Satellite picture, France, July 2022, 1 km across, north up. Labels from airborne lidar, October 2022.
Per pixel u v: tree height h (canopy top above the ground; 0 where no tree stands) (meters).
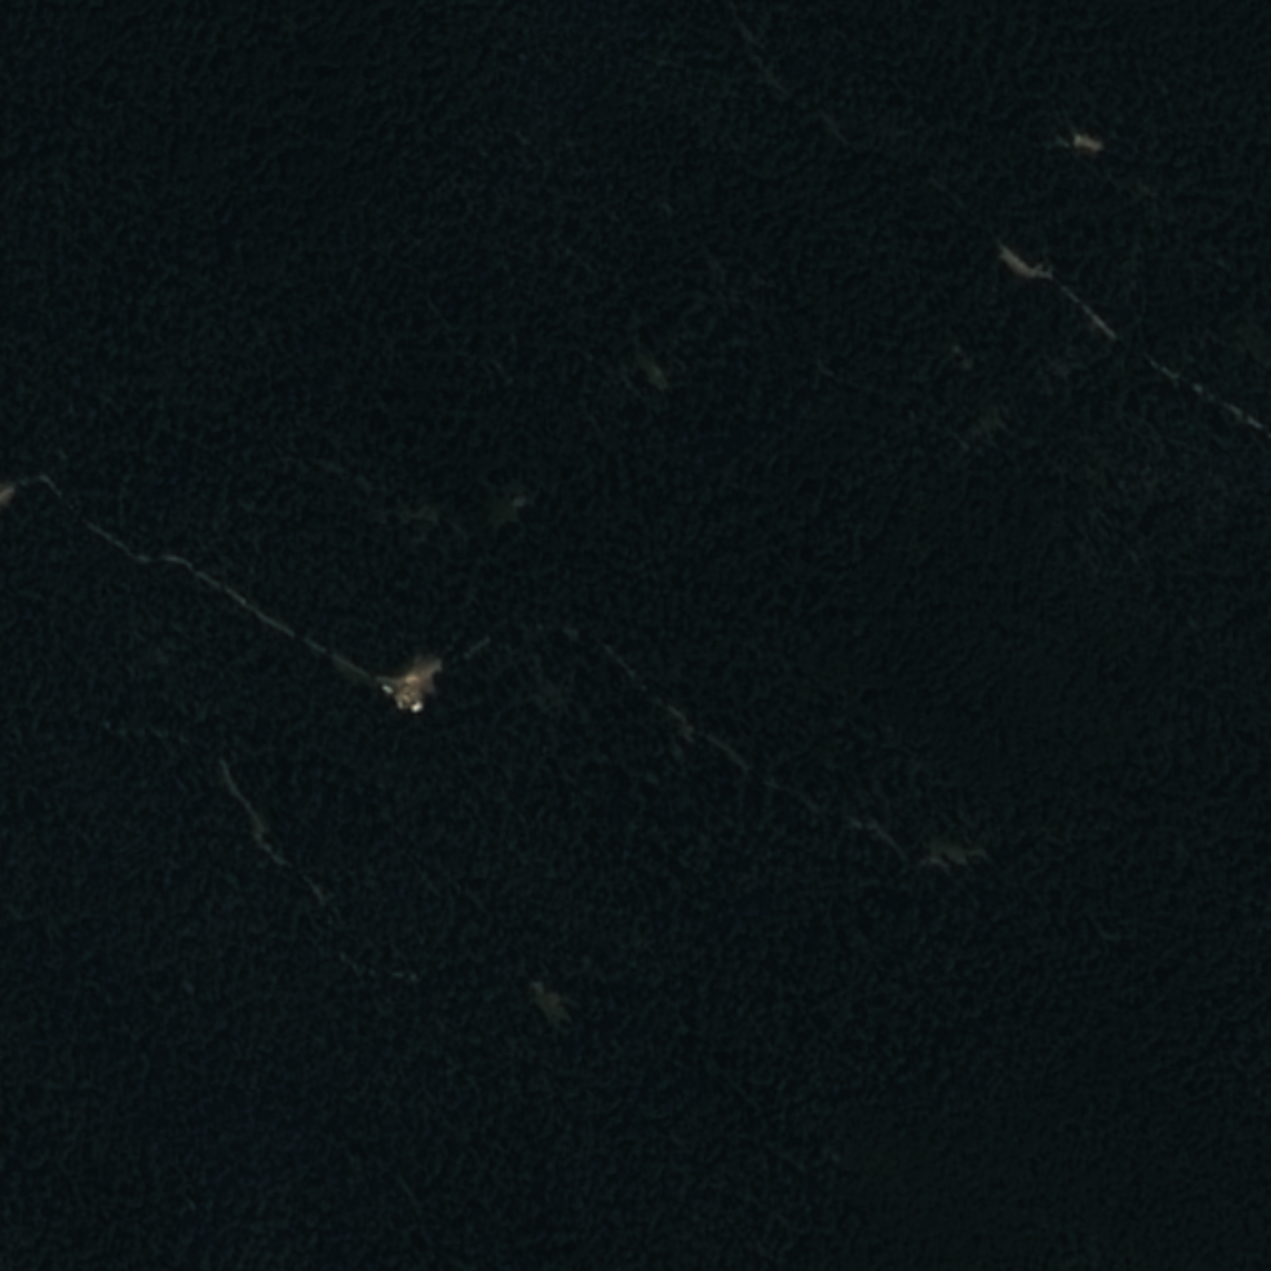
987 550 19
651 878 8
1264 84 14
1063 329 17
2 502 0
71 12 21
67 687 21
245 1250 8
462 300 25
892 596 16
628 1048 29
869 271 21
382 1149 28
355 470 12
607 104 25
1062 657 23
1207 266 15
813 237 11
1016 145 18
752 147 10
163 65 19
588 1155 22
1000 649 17
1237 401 26
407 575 20
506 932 23
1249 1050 28
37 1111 17
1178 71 18
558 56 19
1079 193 19
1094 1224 16
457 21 19
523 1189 16
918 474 19
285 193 25
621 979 18
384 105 21
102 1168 13
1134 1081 18
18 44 20
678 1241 18
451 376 23
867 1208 17
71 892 27
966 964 22
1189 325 22
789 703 22
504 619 22
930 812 20
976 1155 17
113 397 19
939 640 22
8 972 22
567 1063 25
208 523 18
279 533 21
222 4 23
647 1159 20
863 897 26
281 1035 26
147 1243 18
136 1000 27
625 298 6
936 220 10
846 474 21
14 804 22
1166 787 17
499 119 6
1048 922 26
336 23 23
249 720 23
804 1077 16
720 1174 23
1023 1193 17
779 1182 17
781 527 20
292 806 26
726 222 21
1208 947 24
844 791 27
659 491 9
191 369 13
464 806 8
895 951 7
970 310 13
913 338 17
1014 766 23
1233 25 12
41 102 9
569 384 7
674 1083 8
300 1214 7
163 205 20
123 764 18
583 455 22
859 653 23
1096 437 19
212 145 22
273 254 24
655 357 11
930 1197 14
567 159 22
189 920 18
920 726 24
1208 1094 25
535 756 23
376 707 6
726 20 15
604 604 17
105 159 21
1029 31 21
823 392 21
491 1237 30
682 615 22
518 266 22
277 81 23
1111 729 20
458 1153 25
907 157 19
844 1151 11
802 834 24
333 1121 11
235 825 21
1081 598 17
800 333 11
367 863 11
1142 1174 14
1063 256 6
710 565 22
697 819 21
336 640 8
